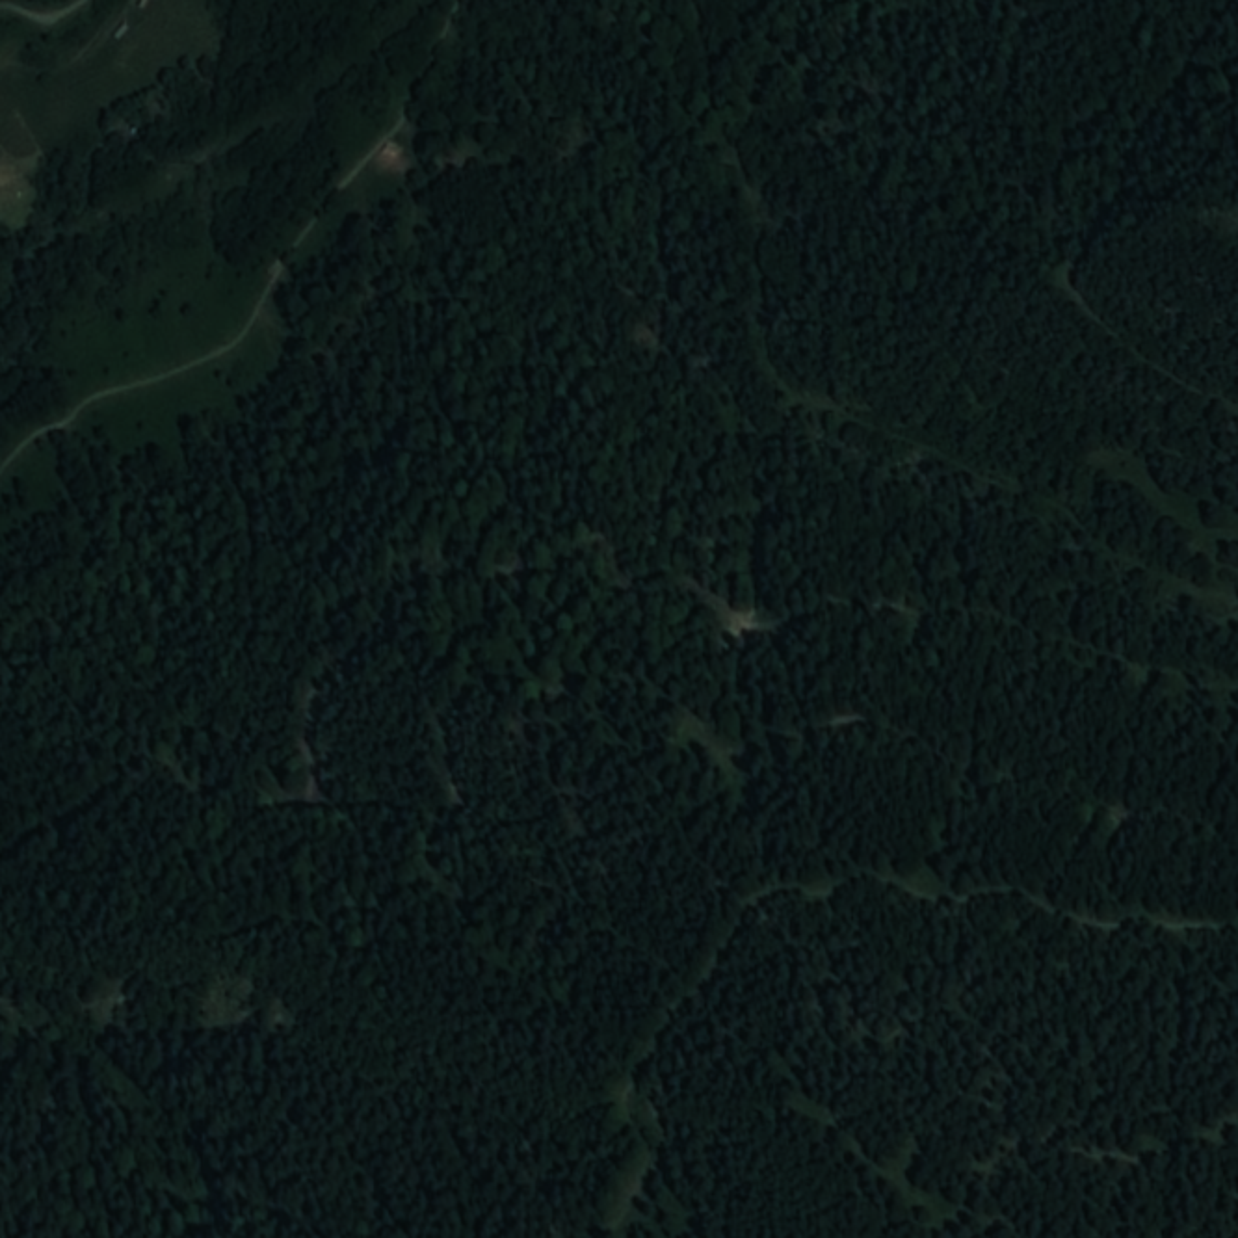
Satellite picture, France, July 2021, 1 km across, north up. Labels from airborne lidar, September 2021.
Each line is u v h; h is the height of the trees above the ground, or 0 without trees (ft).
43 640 19
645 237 59
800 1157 55
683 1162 34
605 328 65
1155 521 114
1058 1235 89
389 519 107
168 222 30
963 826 57
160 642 59
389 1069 44
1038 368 84
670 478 20
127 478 33
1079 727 110
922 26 59
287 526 86
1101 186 50
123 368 0
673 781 106
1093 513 38
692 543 106
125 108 70
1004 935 65
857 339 50
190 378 0
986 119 47
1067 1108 109
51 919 87
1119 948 37
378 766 72
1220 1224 111
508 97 75
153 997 82
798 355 40
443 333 83
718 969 25
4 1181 100
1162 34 73
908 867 79
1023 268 88
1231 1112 96
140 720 56
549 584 83
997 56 82
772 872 43
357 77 24
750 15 29
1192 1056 58
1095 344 82
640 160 37
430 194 61
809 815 100
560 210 55
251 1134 56
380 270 97
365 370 40
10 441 39
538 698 86
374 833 48
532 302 63
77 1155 82
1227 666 61
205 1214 90
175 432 0
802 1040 99
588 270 51
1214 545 0
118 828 73
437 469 94
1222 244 63
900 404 77
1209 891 42
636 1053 50
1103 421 55
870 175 27
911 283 105
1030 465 58
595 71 70
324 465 71
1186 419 101
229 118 33
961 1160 73
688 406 59
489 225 71
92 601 86
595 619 71
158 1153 47
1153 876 41
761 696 109
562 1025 63
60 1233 99
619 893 61
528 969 25
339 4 19
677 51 37
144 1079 109
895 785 64
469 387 81
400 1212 88
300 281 42
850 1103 92
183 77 83
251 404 78
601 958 71
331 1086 121
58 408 63
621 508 89
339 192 34
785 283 54
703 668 114
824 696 96
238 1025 31
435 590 98
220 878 105
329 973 107
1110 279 80
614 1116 56
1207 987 42
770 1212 63
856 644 48
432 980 68
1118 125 52
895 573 77
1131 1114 93
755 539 30
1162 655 62
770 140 49
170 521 97
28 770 53
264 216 50
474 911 81
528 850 73
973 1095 79
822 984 45
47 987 64
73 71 0
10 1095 83
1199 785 104
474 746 69
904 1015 84
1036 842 69
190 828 98
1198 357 84
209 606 31
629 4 77
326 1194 99
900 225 94
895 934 51
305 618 67
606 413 67
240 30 75
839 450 49
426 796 101
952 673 47
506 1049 87
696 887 60
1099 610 81
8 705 30
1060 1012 50
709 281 44
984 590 101
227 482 90
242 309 0
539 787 59
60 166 72
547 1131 43
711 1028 55
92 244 53
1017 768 61
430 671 74
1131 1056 103
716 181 99
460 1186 81
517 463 46
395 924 94
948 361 60
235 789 104
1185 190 67
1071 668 65
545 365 45
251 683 91
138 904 93
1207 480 114
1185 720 92
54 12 0
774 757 44
